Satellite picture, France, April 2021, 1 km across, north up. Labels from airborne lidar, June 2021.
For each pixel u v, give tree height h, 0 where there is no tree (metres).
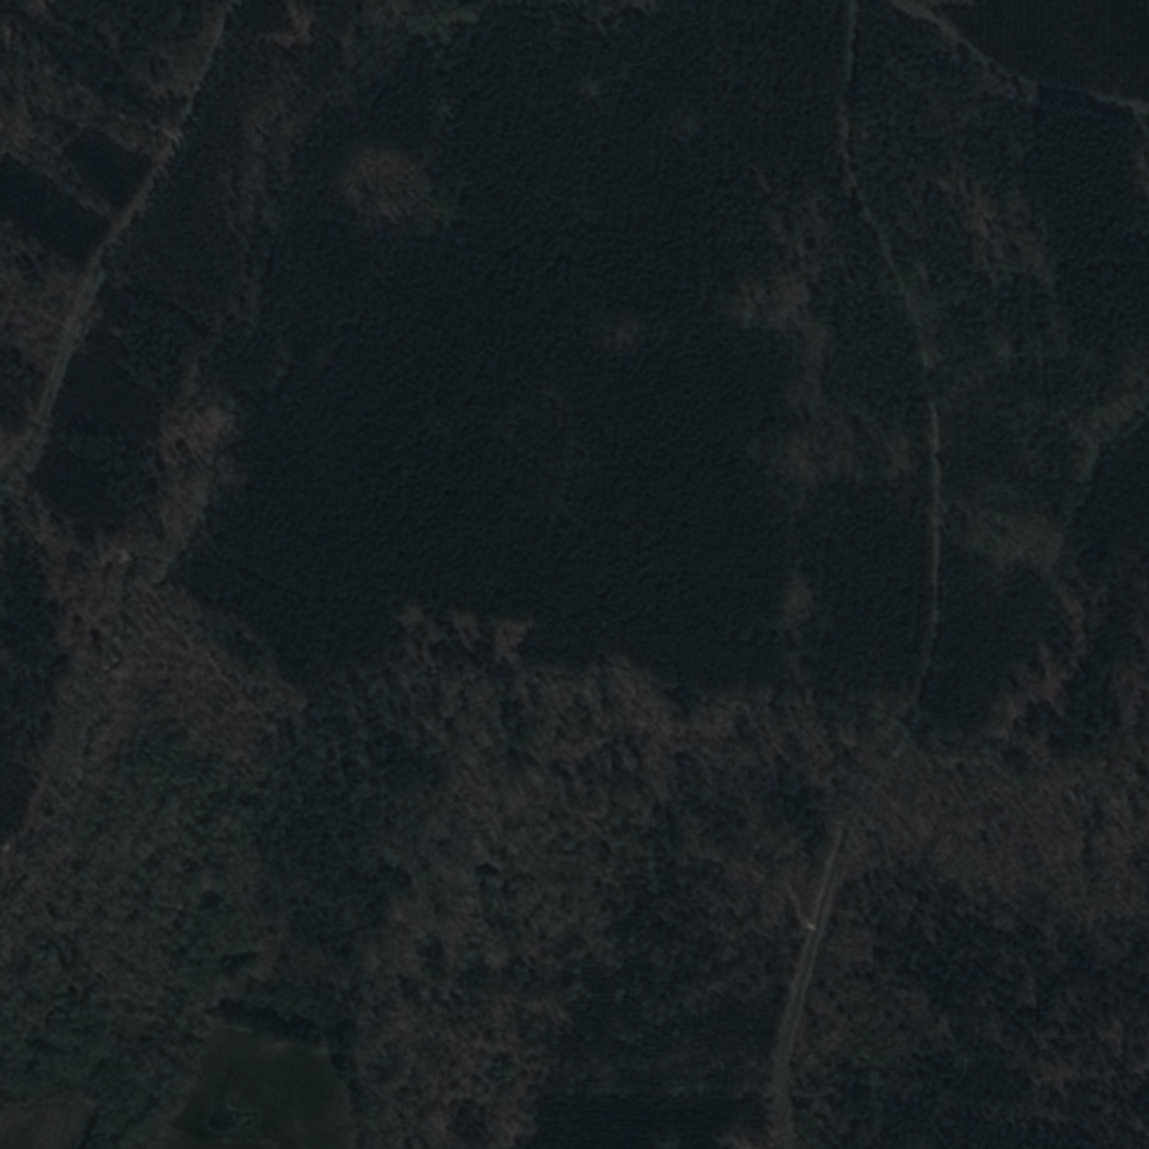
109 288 9
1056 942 7
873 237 25
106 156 10
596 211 17
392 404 18
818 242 10
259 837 16
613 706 26
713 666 18
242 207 16
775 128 18
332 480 17
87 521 8
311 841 26
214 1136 0
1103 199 21
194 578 14
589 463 20
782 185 18
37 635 15
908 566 22
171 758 15
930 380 19
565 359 20
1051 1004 12
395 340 19
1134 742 28
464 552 16
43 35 9
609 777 12
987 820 15
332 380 18
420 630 7
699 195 21
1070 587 12
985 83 19
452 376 19
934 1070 14
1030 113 24
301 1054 0
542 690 17
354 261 18
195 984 19
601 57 23
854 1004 5
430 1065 9
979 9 7
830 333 14
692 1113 9
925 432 25
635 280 21
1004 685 17
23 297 12
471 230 17
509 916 21
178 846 16
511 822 23
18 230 9
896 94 22
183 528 12
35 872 21
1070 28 6
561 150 18
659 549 21
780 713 10
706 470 20
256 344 20
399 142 19
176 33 16
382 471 18
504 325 20
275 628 13
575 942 9
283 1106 0
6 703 21
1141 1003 12
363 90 19
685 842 32
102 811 7
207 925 19
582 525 18
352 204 17
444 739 17
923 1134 18
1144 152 19
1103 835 17
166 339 23
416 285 18
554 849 8
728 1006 7
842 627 20
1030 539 23
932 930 9
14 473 13
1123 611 14
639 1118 8
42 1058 17
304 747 27
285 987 10
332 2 16
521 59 18
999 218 12
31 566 15
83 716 8
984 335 25
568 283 16
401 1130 14
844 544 21
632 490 22
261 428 16
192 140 21
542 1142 9
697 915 8
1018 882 10
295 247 22
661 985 8
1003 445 22
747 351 20
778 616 19
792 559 20
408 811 22
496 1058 7
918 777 19
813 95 17
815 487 17
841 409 23
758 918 17
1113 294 20
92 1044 18
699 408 20
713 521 19
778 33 17
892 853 21
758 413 21
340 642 13
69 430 8
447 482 19
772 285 18
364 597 17
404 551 16
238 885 20
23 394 13
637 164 18
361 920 21
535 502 19
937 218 26
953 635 18
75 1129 0
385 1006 16
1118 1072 13
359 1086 15
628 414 20
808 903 13
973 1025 9
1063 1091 7
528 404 18
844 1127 18
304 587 19
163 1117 24
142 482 20
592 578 18
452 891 18
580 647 18
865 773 16
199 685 8
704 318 22
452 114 13
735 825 27
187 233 17
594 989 10
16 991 15
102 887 13
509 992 10
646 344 17
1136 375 19
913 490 14
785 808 29
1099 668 17
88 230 9
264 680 16
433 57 19
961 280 23
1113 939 11
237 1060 0
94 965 10
